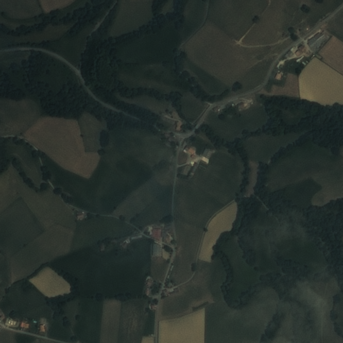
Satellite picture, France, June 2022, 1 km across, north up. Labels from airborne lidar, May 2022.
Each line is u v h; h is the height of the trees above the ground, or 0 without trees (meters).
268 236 21
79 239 0
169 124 0
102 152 21
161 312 0
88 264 0
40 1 0
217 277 0
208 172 0
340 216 22
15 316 16
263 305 0
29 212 0
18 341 0
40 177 0
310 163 0
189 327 0
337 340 0
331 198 0
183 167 0
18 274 0
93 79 25
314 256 0
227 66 0
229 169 0
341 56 0
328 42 0
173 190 0
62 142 0
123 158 0
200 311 0
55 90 0
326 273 19
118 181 0
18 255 0
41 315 0
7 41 0
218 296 0
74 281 16
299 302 9
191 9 0
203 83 0
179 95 13
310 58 0
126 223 0
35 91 20
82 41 0
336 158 0
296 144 11
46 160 0
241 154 13
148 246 0
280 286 18
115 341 0
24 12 0
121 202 0
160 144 0
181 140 0
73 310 0
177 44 0
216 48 0
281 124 24
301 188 0
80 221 0
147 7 0
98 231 0
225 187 0
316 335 0
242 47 0
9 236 0
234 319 0
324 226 23
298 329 21
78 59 0
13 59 0
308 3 0
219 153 0
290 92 0
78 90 17
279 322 17
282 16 0
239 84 18
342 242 13
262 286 20
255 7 0
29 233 0
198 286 0
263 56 0
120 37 13
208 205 0
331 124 18
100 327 0
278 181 0
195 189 0
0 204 0
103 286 0
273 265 0
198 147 0
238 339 0
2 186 0
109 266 0
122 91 24
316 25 0
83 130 0
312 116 11
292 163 0
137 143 0
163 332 0
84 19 18
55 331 0
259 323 0
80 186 0
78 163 0
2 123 0
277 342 0
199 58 0
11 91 22
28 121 0
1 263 0
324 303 0
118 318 0
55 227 0
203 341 0
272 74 0
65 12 0
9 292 14
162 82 0
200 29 0
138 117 22
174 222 0
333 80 0
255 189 15
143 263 0
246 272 0
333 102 0
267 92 0
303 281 21
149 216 0
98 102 20
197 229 0
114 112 12
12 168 0
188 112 0
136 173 0
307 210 8
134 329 0
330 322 0
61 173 0
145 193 0
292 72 0
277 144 0
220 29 0
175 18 24
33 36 0
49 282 0
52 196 0
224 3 0
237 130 0
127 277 0
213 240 0
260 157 0
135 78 0
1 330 0
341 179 0
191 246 0
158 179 0
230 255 0
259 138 0
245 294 21
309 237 19
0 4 0
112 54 14
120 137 0
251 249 17
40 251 0
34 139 0
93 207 0
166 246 16
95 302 0
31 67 19
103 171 0
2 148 26
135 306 0
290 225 23
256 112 0
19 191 0
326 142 20
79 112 19
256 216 20
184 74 17
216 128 0
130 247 0
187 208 0
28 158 0
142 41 0
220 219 0
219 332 0
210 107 0
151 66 0
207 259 0
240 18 0
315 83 0
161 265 0
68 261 0
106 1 20
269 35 0
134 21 0
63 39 0
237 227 18
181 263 0
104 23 15
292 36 16
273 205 22
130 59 0
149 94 10
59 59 0
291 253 0
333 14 0
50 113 19
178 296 0
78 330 0
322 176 0
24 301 0
